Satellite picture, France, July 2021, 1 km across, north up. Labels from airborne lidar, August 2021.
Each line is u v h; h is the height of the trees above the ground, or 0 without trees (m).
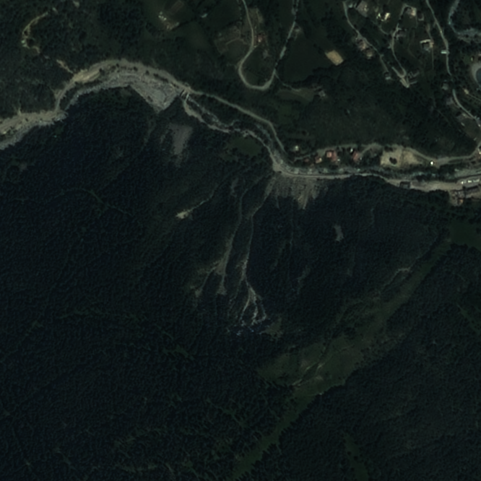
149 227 13
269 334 17
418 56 6
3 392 26
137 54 7
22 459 18
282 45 7
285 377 8
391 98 8
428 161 0
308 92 0
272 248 11
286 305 9
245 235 6
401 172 9
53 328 29
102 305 9
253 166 14
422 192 20
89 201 20
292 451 27
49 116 0
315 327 12
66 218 17
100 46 8
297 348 11
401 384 9
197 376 25
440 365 13
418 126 8
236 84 6
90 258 22
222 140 11
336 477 23
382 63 11
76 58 12
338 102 8
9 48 15
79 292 25
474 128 0
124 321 10
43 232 23
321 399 25
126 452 7
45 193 19
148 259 10
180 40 12
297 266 13
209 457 8
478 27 24
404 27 6
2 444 26
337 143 13
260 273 11
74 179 12
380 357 13
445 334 13
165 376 26
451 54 10
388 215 8
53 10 12
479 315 12
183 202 8
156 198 9
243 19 7
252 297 0
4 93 12
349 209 9
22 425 25
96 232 13
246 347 24
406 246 9
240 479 0
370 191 15
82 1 10
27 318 22
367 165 13
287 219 11
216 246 7
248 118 14
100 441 22
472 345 16
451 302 13
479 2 16
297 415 0
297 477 19
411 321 13
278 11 11
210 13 17
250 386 28
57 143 11
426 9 7
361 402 12
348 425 24
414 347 7
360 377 14
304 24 12
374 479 20
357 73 7
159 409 25
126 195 26
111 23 17
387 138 7
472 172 0
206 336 20
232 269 7
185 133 0
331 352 0
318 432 22
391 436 16
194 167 10
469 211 14
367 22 6
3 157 17
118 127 9
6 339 21
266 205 7
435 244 12
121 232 27
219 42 0
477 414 9
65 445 12
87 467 20
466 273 13
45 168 15
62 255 27
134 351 32
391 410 9
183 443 29
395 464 18
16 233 14
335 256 21
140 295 19
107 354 23
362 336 0
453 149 9
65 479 26
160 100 0
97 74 0
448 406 13
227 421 22
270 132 8
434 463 13
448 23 24
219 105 10
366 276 9
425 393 14
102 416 18
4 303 28
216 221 17
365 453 13
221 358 24
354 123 0
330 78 12
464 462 12
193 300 10
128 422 23
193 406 21
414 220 10
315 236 16
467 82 11
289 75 0
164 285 25
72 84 0
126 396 26
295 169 0
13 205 14
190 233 6
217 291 7
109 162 16
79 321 11
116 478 20
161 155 8
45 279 20
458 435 15
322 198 7
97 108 14
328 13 11
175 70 7
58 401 22
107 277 23
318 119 0
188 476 30
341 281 13
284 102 7
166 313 19
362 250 9
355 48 7
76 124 12
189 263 16
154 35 6
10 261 25
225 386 26
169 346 24
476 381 15
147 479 20
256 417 27
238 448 13
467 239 0
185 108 9
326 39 0
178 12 0
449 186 0
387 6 9
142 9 11
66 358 22
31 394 23
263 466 28
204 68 6
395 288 8
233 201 12
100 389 20
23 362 24
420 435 10
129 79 0
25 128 0
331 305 17
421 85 9
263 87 0
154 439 10
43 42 6
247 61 0
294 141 12
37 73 13
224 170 14
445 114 8
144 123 15
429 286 13
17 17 14
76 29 7
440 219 18
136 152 21
